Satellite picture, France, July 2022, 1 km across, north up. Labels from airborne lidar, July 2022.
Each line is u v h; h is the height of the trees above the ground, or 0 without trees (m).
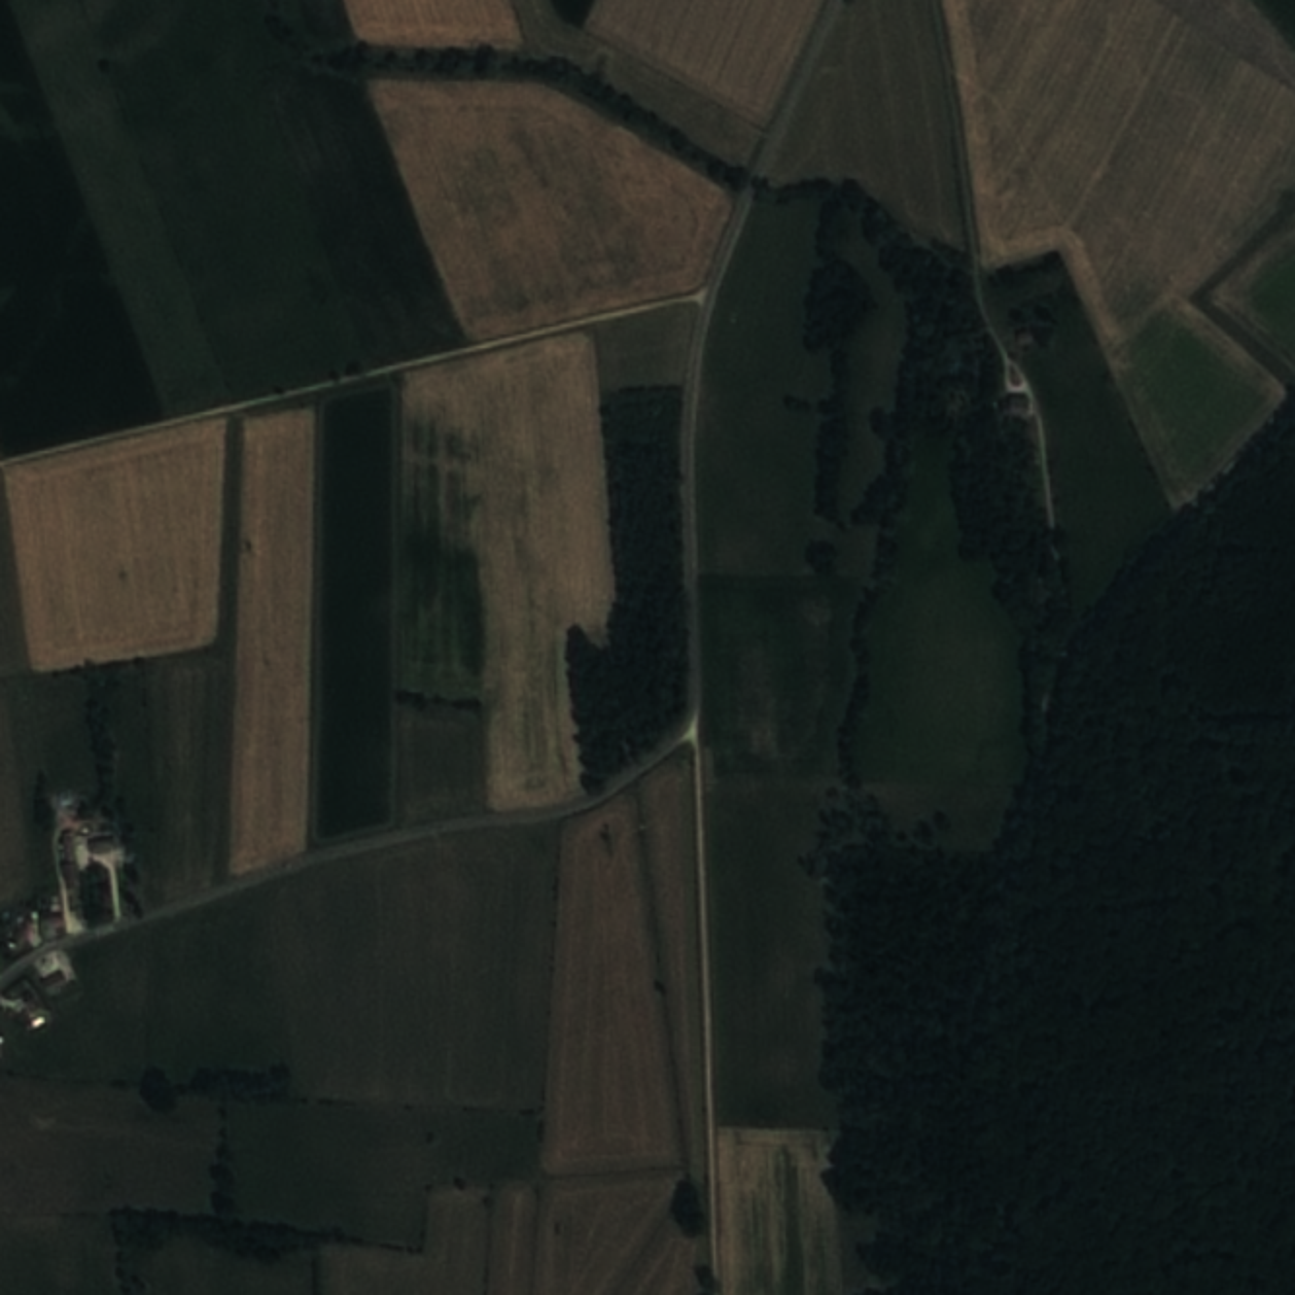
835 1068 7
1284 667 10
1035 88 0
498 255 0
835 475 16
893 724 0
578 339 0
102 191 0
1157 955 27
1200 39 0
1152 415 0
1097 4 0
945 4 0
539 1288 0
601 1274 0
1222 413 0
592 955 0
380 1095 0
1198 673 11
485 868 0
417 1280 0
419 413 0
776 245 0
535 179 0
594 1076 0
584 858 0
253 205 0
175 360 0
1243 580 16
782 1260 0
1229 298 0
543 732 0
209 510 0
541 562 0
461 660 0
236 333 0
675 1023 0
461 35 0
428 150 0
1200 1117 24
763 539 0
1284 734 25
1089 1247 23
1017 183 0
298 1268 0
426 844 0
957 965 9
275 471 0
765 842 0
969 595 0
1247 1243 24
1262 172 0
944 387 13
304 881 0
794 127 0
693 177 0
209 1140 0
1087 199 0
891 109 0
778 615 0
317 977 0
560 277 0
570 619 0
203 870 0
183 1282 0
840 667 0
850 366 14
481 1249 0
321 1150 0
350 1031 0
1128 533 0
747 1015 0
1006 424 6
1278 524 13
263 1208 0
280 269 0
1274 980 21
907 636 0
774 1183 0
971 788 0
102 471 0
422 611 0
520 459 0
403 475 0
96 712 10
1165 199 0
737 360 0
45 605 0
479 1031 0
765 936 0
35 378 0
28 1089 0
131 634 0
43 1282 0
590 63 0
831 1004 8
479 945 0
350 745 0
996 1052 23
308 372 0
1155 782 18
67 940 0
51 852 0
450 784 0
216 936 0
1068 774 21
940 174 0
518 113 0
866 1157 18
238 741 0
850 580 0
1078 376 0
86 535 0
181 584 0
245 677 0
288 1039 0
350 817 0
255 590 0
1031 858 26
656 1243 0
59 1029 0
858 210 13
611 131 0
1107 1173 19
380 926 0
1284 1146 30
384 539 0
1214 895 25
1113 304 0
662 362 0
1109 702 23
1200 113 0
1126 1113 19
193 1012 0
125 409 0
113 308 0
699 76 0
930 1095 20
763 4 0
